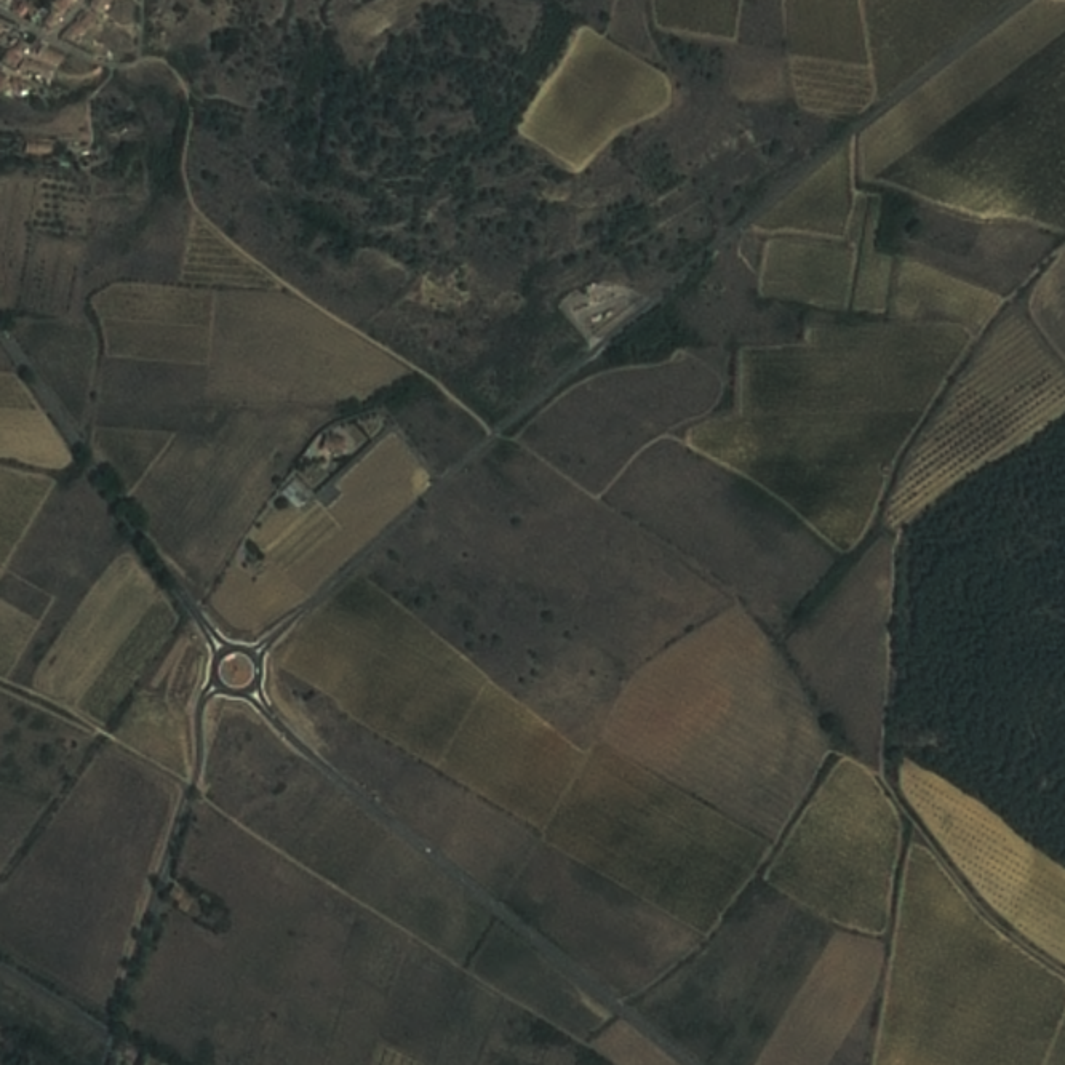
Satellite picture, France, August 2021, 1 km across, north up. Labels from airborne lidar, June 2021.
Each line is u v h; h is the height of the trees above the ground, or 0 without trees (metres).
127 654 0
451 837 0
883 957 0
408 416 0
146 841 0
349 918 0
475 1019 0
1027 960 0
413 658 0
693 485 0
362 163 13
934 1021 0
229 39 8
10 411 0
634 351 9
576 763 0
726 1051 0
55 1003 0
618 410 0
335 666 0
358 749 0
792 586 0
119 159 10
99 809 0
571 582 0
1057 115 0
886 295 0
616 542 0
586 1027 0
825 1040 0
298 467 7
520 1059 0
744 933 0
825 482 0
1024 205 0
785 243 0
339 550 0
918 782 0
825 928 0
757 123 0
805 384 0
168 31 0
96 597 0
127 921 0
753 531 0
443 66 6
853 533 0
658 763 0
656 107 0
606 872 0
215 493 0
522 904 0
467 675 0
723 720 0
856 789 0
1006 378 0
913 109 0
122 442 0
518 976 0
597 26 0
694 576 0
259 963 0
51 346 0
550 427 0
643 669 0
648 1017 0
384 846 0
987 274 0
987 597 11
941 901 0
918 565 10
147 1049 6
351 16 0
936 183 0
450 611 0
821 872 0
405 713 0
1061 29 0
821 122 0
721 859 0
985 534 10
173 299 0
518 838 0
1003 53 0
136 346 0
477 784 0
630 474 0
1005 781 12
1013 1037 0
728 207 8
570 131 0
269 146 0
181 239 0
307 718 0
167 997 0
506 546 0
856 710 0
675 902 0
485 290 0
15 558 0
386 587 0
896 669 11
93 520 0
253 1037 0
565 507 0
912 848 0
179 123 6
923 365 0
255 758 0
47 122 0
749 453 0
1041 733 8
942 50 0
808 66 0
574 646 0
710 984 0
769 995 0
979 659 13
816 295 0
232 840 0
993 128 0
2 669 0
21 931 0
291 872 0
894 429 0
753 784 0
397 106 15
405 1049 0
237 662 0
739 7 0
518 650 0
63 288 0
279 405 0
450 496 0
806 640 0
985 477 9
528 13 0
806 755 0
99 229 0
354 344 0
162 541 0
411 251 10
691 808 0
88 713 0
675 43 11
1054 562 11
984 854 0
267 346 0
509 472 0
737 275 0
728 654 0
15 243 0
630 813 0
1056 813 8
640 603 0
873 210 0
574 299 0
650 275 0
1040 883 0
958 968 0
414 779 0
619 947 0
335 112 15
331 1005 0
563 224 0
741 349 0
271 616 0
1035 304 0
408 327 0
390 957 0
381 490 0
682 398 0
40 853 0
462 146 9
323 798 0
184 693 0
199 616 0
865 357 0
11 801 0
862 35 0
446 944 0
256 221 0
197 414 0
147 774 0
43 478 0
